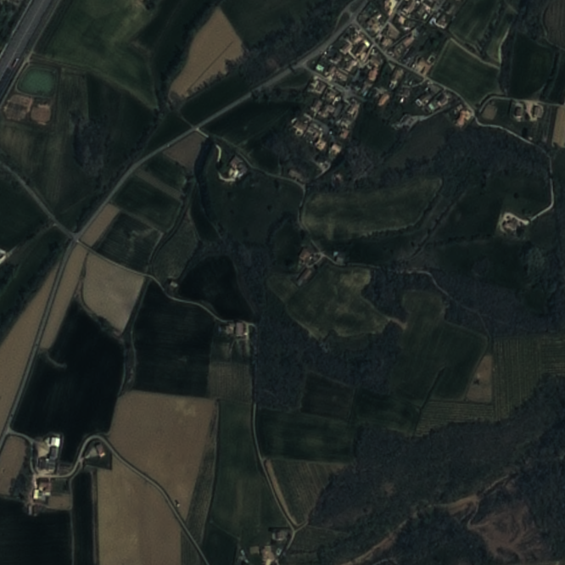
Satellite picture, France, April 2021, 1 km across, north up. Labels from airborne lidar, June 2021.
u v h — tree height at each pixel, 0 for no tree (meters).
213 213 12
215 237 0
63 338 0
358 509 14
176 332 0
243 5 0
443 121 0
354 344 0
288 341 17
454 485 23
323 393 0
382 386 16
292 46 14
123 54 0
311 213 0
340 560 21
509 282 0
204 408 0
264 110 0
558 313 14
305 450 0
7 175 14
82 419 0
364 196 0
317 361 15
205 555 0
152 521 0
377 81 8
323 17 16
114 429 0
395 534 23
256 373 20
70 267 0
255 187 9
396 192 0
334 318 0
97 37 0
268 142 14
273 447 0
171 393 0
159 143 0
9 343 0
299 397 13
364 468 12
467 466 13
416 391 0
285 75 0
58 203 0
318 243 0
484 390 0
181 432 0
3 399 0
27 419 0
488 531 0
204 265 0
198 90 10
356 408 0
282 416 0
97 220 0
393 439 11
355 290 0
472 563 16
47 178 0
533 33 16
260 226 0
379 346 7
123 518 0
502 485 0
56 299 0
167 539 0
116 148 0
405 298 0
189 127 0
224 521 0
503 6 10
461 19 0
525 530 0
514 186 0
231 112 0
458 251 0
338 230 0
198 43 0
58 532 0
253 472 0
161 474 0
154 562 0
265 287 14
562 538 11
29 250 0
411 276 8
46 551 0
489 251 0
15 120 0
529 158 19
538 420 23
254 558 0
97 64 0
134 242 0
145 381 0
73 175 0
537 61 0
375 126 0
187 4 0
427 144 0
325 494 8
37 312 0
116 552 0
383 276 15
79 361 0
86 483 0
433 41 10
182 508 0
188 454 0
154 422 0
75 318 0
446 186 6
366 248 0
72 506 0
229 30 0
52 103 0
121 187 0
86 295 0
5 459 0
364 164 25
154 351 0
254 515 0
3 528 0
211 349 0
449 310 8
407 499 15
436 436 17
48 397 0
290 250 0
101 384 0
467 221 0
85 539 0
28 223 0
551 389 23
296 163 18
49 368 0
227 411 0
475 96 0
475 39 0
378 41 10
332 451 0
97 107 0
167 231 0
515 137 7
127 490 0
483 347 0
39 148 0
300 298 0
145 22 0
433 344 0
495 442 13
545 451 23
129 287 0
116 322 0
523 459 15
